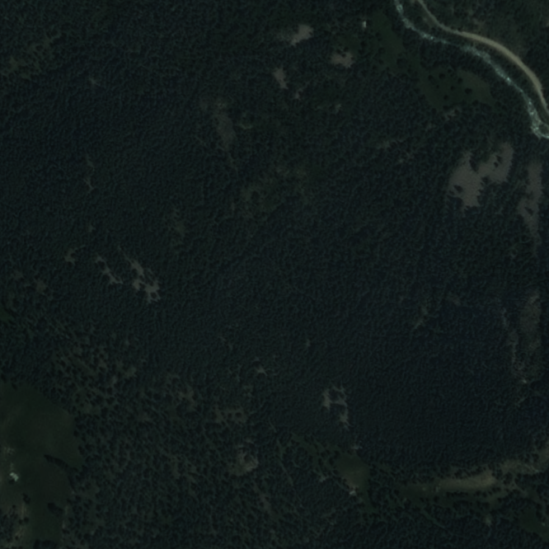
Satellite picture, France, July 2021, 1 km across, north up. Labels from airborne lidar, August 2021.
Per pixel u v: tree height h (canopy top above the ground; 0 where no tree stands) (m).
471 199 0
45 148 26
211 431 19
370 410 20
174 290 27
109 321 16
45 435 0
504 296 11
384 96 25
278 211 8
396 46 0
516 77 13
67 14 25
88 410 0
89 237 19
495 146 5
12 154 21
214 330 22
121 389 26
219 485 26
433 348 24
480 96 0
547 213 30
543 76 9
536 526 0
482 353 21
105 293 24
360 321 24
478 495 16
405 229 26
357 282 26
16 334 26
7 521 10
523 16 13
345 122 7
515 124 6
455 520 20
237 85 9
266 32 14
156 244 25
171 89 30
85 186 15
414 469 17
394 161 14
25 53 19
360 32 9
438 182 8
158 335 20
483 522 9
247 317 16
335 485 16
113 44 6
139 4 11
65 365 19
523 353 20
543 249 8
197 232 22
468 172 0
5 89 25
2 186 19
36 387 19
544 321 26
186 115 16
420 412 20
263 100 11
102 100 28
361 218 9
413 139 18
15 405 0
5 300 26
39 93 26
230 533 26
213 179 21
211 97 9
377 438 22
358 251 8
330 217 9
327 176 12
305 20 8
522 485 16
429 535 10
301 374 19
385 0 18
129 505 15
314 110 18
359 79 29
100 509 15
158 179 23
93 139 25
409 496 0
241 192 16
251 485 18
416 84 15
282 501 21
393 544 25
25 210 22
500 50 0
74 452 0
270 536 25
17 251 20
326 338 24
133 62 12
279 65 25
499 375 24
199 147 19
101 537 17
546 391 26
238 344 21
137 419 20
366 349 13
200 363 20
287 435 21
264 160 8
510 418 20
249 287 17
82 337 20
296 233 26
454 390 24
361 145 32
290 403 19
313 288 29
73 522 16
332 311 6
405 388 29
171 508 23
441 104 0
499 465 13
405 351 24
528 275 9
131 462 16
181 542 21
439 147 14
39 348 29
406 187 11
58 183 13
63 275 19
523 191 8
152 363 21
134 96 27
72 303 20
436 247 16
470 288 17
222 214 22
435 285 25
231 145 6
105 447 15
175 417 0
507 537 27
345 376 24
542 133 6
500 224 25
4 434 0
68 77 32
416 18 10
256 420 20
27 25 13
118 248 28
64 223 21
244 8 22
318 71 21
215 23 24
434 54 24
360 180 32
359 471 0
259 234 11
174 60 24
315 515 19
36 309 24
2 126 22
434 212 18
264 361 17
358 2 13
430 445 22
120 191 23
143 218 22
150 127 24
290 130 10
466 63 23
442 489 0
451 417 19
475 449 23
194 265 19
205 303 20
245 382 21
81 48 10
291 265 31
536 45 10
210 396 20
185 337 25
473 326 16
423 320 7
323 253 28
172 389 11
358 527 15
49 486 0
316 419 11
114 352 20
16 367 23
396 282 24
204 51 30
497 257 11
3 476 0
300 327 22
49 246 19
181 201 16
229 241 14
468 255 32
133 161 21
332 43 16
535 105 5
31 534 0
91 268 25
